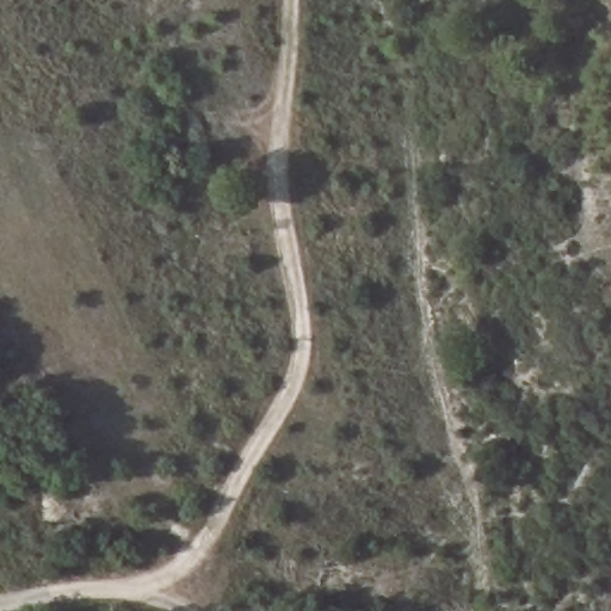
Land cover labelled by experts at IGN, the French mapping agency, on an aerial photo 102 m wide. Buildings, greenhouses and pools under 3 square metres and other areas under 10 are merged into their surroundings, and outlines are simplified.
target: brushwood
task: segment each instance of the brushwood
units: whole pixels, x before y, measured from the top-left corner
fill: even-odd
[[[554,606],[568,592],[568,580],[556,580],[551,585],[544,578],[535,582],[525,580],[523,590],[506,590],[504,580],[496,580],[489,573],[489,590],[461,585],[461,601],[456,606],[468,606],[473,611],[554,611]]]
[[[456,205],[444,208],[434,222],[425,222],[427,258],[453,258],[453,263],[470,274],[470,298],[475,301],[477,317],[496,317],[513,339],[516,379],[516,384],[523,389],[523,399],[527,399],[530,394],[535,394],[537,399],[549,399],[554,394],[575,394],[585,384],[592,387],[594,382],[606,382],[611,387],[611,251],[604,251],[599,258],[566,265],[558,260],[558,253],[554,251],[554,243],[580,232],[582,189],[578,179],[566,177],[561,172],[582,158],[582,131],[561,126],[556,117],[556,105],[563,98],[554,88],[544,91],[544,103],[525,103],[520,98],[513,98],[504,86],[492,86],[487,67],[461,60],[458,53],[444,53],[437,38],[437,26],[444,17],[427,14],[427,19],[422,19],[420,24],[408,26],[394,21],[394,29],[401,36],[418,36],[415,53],[406,55],[415,69],[399,72],[411,143],[418,143],[422,150],[434,153],[437,165],[446,160],[461,160],[463,165],[458,179],[463,189]]]
[[[43,499],[24,489],[21,496],[12,496],[0,513],[0,594],[38,585],[64,582],[57,575],[62,566],[53,563],[43,554],[43,544],[53,535],[72,525],[64,518],[45,520]]]
[[[582,399],[580,408],[575,408],[575,415],[585,415],[597,425],[611,427],[611,403]]]

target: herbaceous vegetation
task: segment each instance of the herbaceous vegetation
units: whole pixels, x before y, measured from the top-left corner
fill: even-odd
[[[582,158],[561,172],[566,177],[578,179],[582,189],[580,232],[554,243],[554,251],[558,253],[558,260],[566,265],[599,258],[604,251],[611,251],[611,143]]]
[[[568,592],[554,606],[554,611],[611,611],[611,592],[590,597],[585,592]]]
[[[504,33],[520,41],[525,50],[535,55],[537,74],[551,74],[554,88],[563,98],[580,91],[580,69],[594,48],[594,43],[590,41],[590,31],[599,31],[604,38],[611,38],[611,0],[544,0],[551,7],[558,43],[544,43],[532,33],[530,14],[527,10],[523,10],[525,0],[465,0],[470,10],[496,14],[501,26],[506,29]]]
[[[473,437],[473,430],[463,427],[463,420],[458,418],[458,411],[465,406],[461,387],[477,389],[489,379],[516,379],[513,339],[496,317],[477,317],[475,301],[470,298],[470,274],[453,263],[453,258],[427,258],[425,222],[420,212],[418,169],[420,165],[437,165],[434,153],[422,150],[418,143],[411,143],[399,72],[415,69],[406,55],[415,53],[418,36],[401,36],[394,29],[394,21],[408,26],[420,24],[422,19],[427,19],[427,14],[444,17],[446,7],[453,0],[296,0],[301,5],[301,43],[289,124],[289,148],[270,150],[274,74],[282,53],[279,24],[284,0],[0,0],[0,406],[5,408],[17,401],[10,394],[7,384],[19,377],[29,377],[43,391],[43,396],[53,399],[60,406],[60,411],[53,418],[53,425],[60,427],[64,444],[74,451],[74,458],[86,468],[88,480],[98,485],[98,489],[93,494],[86,494],[84,499],[43,499],[45,520],[64,518],[72,525],[81,525],[88,518],[117,518],[119,523],[124,523],[124,504],[131,496],[138,496],[141,516],[160,523],[155,530],[141,530],[141,535],[129,544],[129,549],[136,551],[141,561],[150,568],[167,563],[174,554],[189,549],[198,532],[174,523],[177,506],[169,496],[165,496],[165,492],[172,487],[172,477],[153,475],[155,461],[165,458],[177,468],[174,477],[179,477],[189,492],[196,494],[200,513],[208,518],[224,506],[224,482],[239,468],[246,442],[253,437],[272,399],[284,387],[289,360],[296,351],[294,317],[286,303],[279,255],[274,246],[277,229],[272,203],[291,203],[294,229],[298,239],[310,306],[310,360],[303,389],[294,408],[289,411],[284,425],[267,446],[263,461],[255,465],[251,480],[246,482],[239,504],[215,547],[189,575],[179,578],[172,585],[174,594],[184,597],[189,604],[212,604],[217,611],[294,611],[291,604],[284,604],[279,599],[279,594],[284,594],[289,585],[303,592],[315,585],[344,590],[348,582],[368,587],[372,590],[372,594],[382,597],[391,597],[399,592],[406,599],[432,604],[439,611],[473,611],[468,606],[456,606],[461,601],[461,585],[489,590],[489,573],[485,527],[494,520],[511,518],[511,496],[492,499],[487,492],[482,492],[480,482],[475,480],[475,463],[463,461],[463,439]],[[191,215],[179,212],[167,203],[153,203],[153,208],[148,210],[134,200],[131,177],[119,167],[122,122],[117,117],[117,100],[124,93],[138,93],[143,88],[143,84],[136,79],[141,60],[148,57],[150,62],[155,62],[160,50],[169,50],[172,67],[184,84],[181,100],[177,105],[179,129],[169,126],[165,131],[165,141],[172,143],[177,150],[189,150],[189,141],[200,141],[208,148],[210,162],[215,167],[227,167],[232,160],[239,160],[243,169],[253,172],[260,179],[263,203],[248,215],[220,212],[210,205],[210,200]],[[465,379],[461,387],[446,384],[446,372],[437,353],[437,346],[446,337],[453,339],[458,332],[480,334],[487,341],[487,348],[482,348],[485,368],[473,372],[473,377]],[[200,482],[196,470],[200,456],[210,456],[215,461],[215,475],[205,485]]]
[[[57,575],[64,582],[86,578],[93,561],[84,554],[76,556],[72,566],[62,566]]]

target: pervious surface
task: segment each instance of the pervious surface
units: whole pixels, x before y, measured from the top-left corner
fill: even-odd
[[[301,5],[296,0],[284,0],[279,24],[282,53],[274,74],[270,150],[289,148],[289,124],[301,43]]]
[[[298,239],[294,229],[291,203],[272,203],[277,229],[274,246],[279,255],[286,303],[294,317],[296,351],[289,360],[284,387],[272,399],[253,437],[246,442],[239,468],[224,482],[224,506],[208,518],[205,527],[198,532],[189,549],[174,554],[167,563],[150,568],[143,573],[134,573],[129,578],[86,578],[64,582],[38,585],[0,594],[0,611],[17,611],[21,606],[48,604],[60,597],[129,599],[167,611],[217,611],[212,604],[189,604],[184,597],[174,594],[172,585],[179,578],[189,575],[215,547],[239,504],[246,482],[251,480],[255,465],[263,461],[267,446],[284,425],[289,411],[294,408],[303,389],[310,360],[310,306]]]

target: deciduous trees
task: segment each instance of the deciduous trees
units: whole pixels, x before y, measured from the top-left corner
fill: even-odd
[[[470,10],[465,0],[453,0],[446,7],[444,17],[437,26],[437,38],[444,53],[458,53],[461,60],[487,67],[492,86],[504,86],[513,98],[520,98],[525,103],[544,103],[544,91],[554,88],[551,74],[537,74],[535,55],[525,50],[520,41],[504,33],[506,29],[501,26],[496,14]]]
[[[418,169],[420,212],[425,222],[434,222],[444,208],[456,205],[463,189],[458,179],[463,165],[461,160],[446,160],[437,165],[420,165]]]
[[[580,69],[580,91],[563,98],[556,105],[556,117],[561,126],[582,131],[582,158],[611,143],[611,38],[604,38],[599,31],[590,31],[590,41],[594,43],[594,48]]]
[[[189,150],[177,150],[172,143],[165,141],[165,131],[169,126],[179,129],[177,105],[181,100],[184,84],[172,67],[169,50],[160,50],[155,62],[150,62],[148,57],[141,60],[136,79],[143,84],[143,88],[138,93],[124,93],[117,100],[117,117],[122,122],[119,167],[131,177],[134,200],[148,210],[153,208],[153,203],[167,203],[179,212],[191,215],[210,200],[210,205],[220,212],[248,215],[263,203],[260,179],[253,172],[243,169],[239,160],[232,160],[227,167],[215,167],[210,162],[208,148],[200,141],[189,141]]]
[[[98,485],[88,480],[86,468],[74,458],[74,451],[64,444],[60,427],[53,425],[53,418],[60,411],[60,406],[53,399],[43,396],[43,391],[29,377],[19,377],[7,384],[10,394],[17,401],[5,408],[0,406],[0,513],[12,496],[21,496],[24,489],[43,499],[84,499],[86,494],[93,494],[98,489]]]
[[[523,399],[523,389],[516,384],[516,379],[489,379],[477,389],[461,387],[465,406],[458,411],[458,418],[463,420],[463,427],[473,430],[473,437],[463,439],[463,461],[475,463],[475,480],[480,482],[482,492],[487,492],[492,499],[511,496],[511,518],[494,520],[485,527],[489,573],[496,580],[504,580],[506,590],[523,590],[525,580],[535,582],[544,578],[551,585],[556,580],[568,580],[568,592],[585,592],[590,597],[611,592],[611,427],[597,425],[585,415],[575,415],[575,408],[580,408],[582,399],[611,403],[611,387],[606,382],[594,382],[592,387],[585,384],[575,394],[554,394],[549,399],[537,399],[535,394],[530,394],[527,399]]]
[[[465,379],[473,377],[473,372],[485,368],[482,348],[487,348],[487,341],[480,334],[458,332],[453,339],[446,337],[437,346],[437,353],[446,372],[446,384],[461,387]]]
[[[60,597],[48,604],[21,606],[17,611],[167,611],[129,599]]]
[[[544,0],[525,0],[523,10],[527,10],[530,14],[532,33],[544,43],[558,43],[551,7]]]
[[[165,492],[165,496],[169,496],[177,506],[174,523],[198,532],[205,527],[208,518],[200,513],[196,494],[189,492],[179,477],[174,477],[177,468],[165,458],[155,461],[153,475],[172,477],[172,487]]]
[[[76,556],[84,554],[93,561],[86,578],[129,578],[134,573],[143,573],[150,568],[141,561],[136,551],[129,549],[129,544],[141,535],[141,530],[155,530],[160,523],[141,516],[138,496],[131,496],[124,504],[124,523],[119,523],[117,518],[88,518],[81,525],[72,525],[53,535],[43,544],[43,554],[53,563],[62,566],[72,566]]]
[[[284,604],[291,604],[294,611],[439,611],[432,604],[406,599],[399,592],[391,597],[382,597],[372,594],[372,590],[368,587],[348,582],[344,590],[315,585],[303,592],[289,585],[284,594],[279,594],[279,599]]]
[[[215,461],[210,456],[200,456],[196,470],[200,482],[205,485],[215,475]]]

